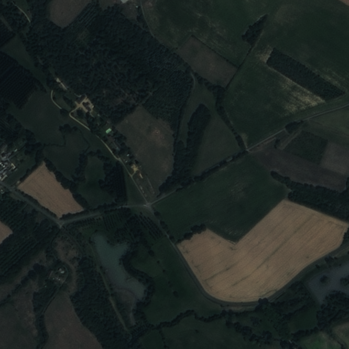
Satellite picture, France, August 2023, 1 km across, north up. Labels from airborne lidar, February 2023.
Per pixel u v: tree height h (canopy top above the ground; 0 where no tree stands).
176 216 0
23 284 14
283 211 0
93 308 22
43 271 17
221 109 14
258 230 0
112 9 9
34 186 0
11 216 6
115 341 24
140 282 10
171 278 0
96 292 20
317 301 0
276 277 0
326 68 0
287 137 0
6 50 0
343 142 0
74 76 21
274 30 0
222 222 0
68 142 0
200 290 0
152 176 0
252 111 0
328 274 0
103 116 19
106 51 26
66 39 12
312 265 0
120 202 17
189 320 0
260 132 0
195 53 0
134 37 19
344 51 0
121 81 27
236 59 0
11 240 16
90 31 11
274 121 0
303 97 0
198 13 0
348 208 15
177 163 17
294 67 8
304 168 0
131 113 12
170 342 0
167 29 0
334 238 0
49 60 16
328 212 16
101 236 0
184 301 0
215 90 18
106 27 14
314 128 0
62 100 0
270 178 0
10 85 28
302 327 0
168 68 14
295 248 0
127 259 16
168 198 0
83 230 0
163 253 0
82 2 0
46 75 10
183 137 0
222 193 0
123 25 19
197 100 0
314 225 0
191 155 19
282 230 0
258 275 0
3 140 16
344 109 0
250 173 0
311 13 0
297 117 0
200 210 0
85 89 17
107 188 18
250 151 0
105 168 15
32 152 15
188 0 0
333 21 0
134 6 0
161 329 15
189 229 0
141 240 15
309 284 0
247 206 0
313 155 0
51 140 0
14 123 25
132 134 0
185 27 0
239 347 0
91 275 17
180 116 8
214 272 0
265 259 0
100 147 0
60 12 0
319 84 6
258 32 9
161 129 0
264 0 0
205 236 0
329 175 0
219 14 0
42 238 14
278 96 0
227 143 0
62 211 0
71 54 17
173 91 7
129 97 24
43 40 20
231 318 25
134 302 0
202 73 0
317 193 15
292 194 13
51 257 7
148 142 0
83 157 19
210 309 0
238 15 0
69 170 0
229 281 0
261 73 0
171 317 0
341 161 0
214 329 0
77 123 0
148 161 0
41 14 15
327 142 0
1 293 0
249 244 0
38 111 0
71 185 17
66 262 0
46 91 23
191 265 0
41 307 12
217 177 0
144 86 24
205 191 0
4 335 0
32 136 20
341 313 9
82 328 0
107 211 10
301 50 0
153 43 18
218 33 0
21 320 0
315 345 0
